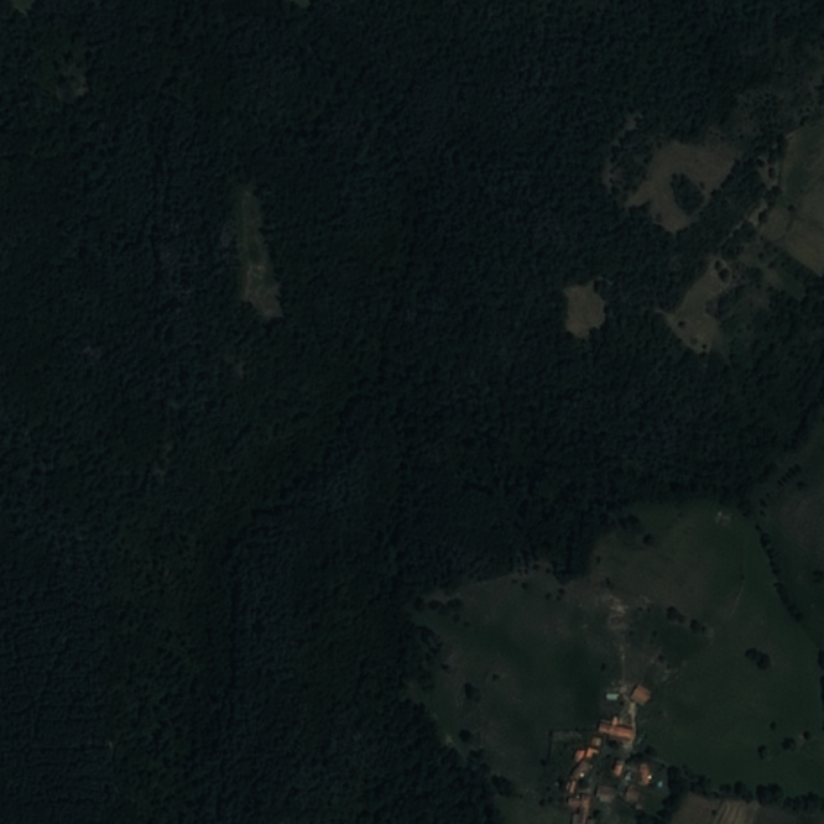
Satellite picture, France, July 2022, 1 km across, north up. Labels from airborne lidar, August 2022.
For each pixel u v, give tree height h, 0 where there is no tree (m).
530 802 0
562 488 6
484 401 22
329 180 19
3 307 18
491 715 0
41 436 15
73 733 21
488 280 20
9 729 18
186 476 13
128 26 14
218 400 15
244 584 25
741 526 0
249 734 27
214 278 22
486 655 0
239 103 12
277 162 24
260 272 0
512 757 0
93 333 16
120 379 19
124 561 11
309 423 7
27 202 14
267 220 6
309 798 10
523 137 13
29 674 20
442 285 22
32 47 7
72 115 14
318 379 11
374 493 24
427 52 10
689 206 8
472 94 19
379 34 8
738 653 0
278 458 13
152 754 23
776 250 7
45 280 14
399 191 23
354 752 14
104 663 13
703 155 0
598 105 13
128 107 22
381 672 18
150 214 18
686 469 20
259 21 19
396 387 25
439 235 22
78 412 13
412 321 14
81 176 18
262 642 22
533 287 9
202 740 8
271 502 8
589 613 0
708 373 9
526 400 19
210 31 7
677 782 15
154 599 9
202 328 20
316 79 19
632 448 18
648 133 14
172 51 9
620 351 12
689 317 0
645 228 13
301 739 7
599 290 13
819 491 0
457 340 15
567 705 0
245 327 11
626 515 19
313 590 9
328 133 23
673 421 17
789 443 7
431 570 13
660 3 18
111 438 16
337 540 14
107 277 25
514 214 16
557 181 17
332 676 9
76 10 8
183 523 23
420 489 19
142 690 16
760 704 0
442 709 0
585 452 18
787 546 0
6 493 12
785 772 0
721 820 0
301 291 14
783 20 12
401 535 25
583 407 15
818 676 0
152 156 8
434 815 13
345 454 15
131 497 19
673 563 0
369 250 18
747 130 0
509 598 0
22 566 18
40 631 21
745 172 8
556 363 9
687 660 0
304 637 15
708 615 0
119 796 13
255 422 13
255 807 9
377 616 14
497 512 23
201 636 9
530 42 7
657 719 0
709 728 0
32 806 19
